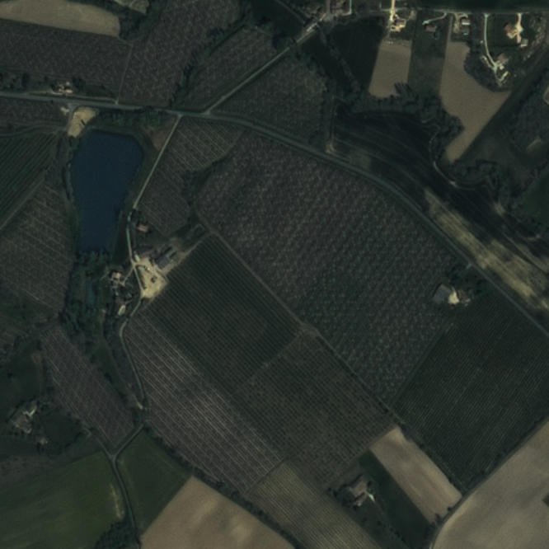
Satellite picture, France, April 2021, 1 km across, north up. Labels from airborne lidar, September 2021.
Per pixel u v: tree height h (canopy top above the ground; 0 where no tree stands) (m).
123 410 9
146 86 5
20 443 0
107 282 0
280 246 6
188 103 7
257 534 0
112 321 14
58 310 7
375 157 0
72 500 0
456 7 0
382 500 0
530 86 0
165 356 6
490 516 0
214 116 0
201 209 6
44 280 6
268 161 6
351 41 0
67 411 16
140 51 7
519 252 0
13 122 6
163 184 6
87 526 0
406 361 7
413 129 0
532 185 15
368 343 6
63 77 6
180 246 0
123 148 0
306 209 6
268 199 7
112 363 0
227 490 15
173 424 7
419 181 0
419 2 0
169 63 7
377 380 6
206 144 6
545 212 0
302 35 0
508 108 0
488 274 0
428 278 6
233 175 6
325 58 0
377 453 0
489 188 0
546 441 0
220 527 0
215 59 8
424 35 0
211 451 7
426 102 11
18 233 6
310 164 5
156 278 0
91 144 0
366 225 6
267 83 8
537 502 0
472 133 0
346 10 14
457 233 0
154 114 22
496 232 0
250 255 6
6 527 0
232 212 6
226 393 6
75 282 18
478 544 0
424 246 7
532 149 0
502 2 0
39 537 0
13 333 6
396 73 0
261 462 6
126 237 0
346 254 7
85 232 0
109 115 13
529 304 0
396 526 0
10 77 11
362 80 0
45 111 6
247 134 6
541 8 0
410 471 0
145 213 6
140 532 11
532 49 0
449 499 0
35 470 0
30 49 6
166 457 0
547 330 0
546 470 0
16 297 12
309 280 6
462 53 0
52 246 7
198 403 6
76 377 7
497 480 0
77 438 7
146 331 8
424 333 7
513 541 0
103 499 0
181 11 6
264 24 10
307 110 7
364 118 0
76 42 6
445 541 0
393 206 6
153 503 0
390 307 7
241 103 7
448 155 12
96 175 0
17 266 7
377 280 7
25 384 0
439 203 0
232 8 6
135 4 0
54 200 7
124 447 0
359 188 6
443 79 0
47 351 7
